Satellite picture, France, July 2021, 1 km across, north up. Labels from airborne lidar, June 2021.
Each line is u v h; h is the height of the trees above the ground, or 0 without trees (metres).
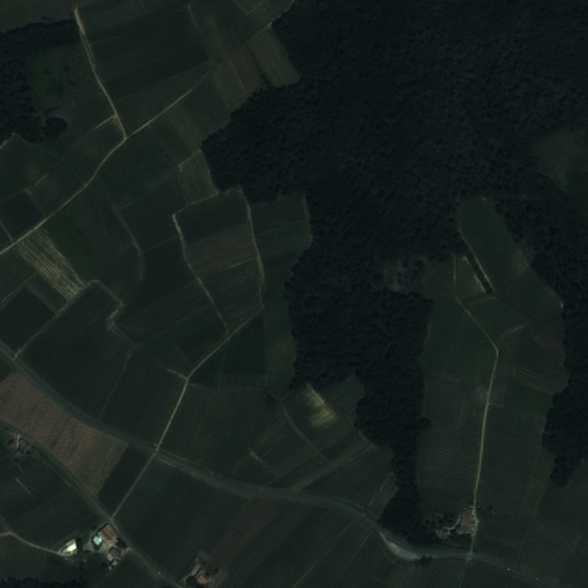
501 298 0
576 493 0
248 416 0
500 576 0
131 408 0
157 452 0
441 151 6
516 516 0
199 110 0
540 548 0
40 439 0
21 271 0
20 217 0
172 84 0
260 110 22
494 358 0
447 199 10
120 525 0
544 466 0
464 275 0
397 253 24
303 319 20
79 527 0
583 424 24
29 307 0
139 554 0
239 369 0
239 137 20
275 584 0
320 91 12
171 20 0
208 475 0
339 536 0
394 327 23
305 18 16
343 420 0
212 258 0
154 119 0
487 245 0
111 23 0
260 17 0
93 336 0
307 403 0
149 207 0
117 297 0
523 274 0
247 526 0
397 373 24
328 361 19
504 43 11
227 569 0
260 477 0
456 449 0
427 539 9
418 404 22
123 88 0
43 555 0
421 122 23
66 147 0
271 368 0
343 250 30
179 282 0
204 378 0
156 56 0
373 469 0
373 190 24
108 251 0
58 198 0
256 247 0
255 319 0
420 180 13
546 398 0
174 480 0
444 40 12
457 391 0
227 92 0
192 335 0
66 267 0
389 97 19
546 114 15
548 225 21
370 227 28
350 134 22
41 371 0
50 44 16
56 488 0
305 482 0
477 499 0
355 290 21
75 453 0
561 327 0
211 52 0
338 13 18
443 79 21
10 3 0
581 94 14
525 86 24
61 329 0
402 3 20
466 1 17
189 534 0
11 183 0
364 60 19
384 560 0
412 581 0
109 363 0
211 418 0
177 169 0
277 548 0
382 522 7
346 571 0
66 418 0
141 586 0
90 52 0
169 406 0
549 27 14
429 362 0
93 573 0
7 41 18
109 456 0
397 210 24
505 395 0
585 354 17
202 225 0
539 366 0
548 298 0
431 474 0
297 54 16
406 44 13
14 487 0
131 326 0
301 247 0
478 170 19
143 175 0
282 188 13
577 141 0
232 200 0
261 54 0
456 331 0
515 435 0
